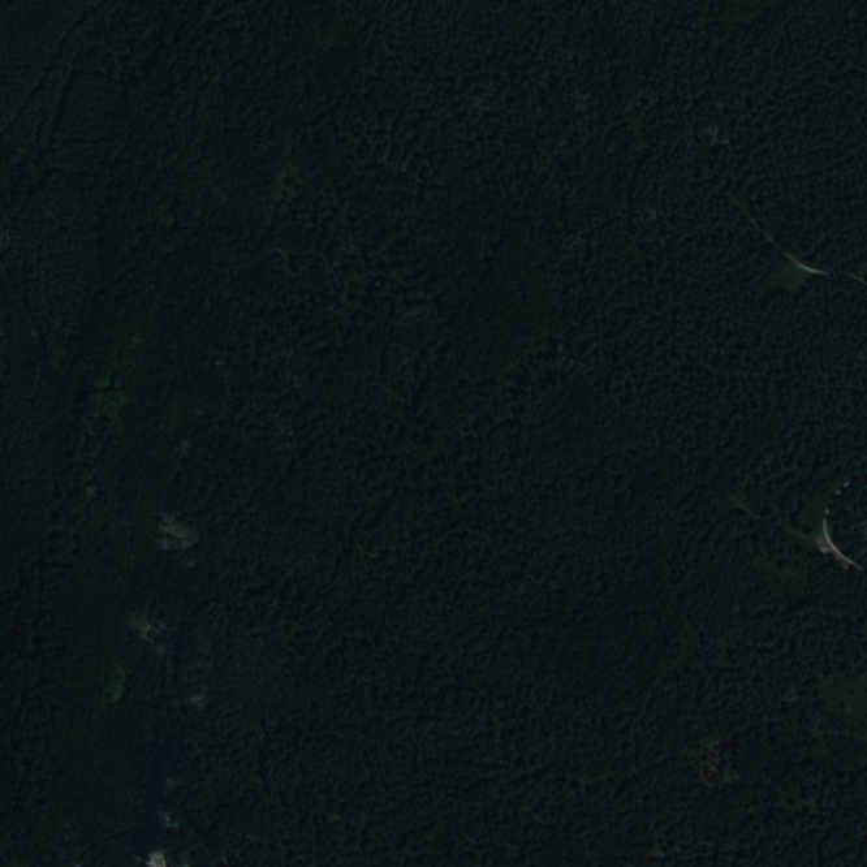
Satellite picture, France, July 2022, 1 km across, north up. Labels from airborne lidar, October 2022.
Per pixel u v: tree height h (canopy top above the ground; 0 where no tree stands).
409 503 21
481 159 7
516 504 29
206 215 22
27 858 24
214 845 22
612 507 28
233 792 18
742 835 19
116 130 20
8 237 24
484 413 18
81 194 27
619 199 20
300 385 20
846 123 26
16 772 31
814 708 17
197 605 20
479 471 21
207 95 23
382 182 22
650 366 29
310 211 9
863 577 16
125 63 16
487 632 17
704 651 9
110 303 29
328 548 17
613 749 19
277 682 20
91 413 25
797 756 19
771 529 15
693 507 19
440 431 25
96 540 15
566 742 21
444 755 19
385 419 23
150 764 18
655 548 25
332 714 17
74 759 18
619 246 25
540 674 17
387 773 21
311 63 10
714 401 30
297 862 20
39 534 21
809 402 23
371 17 26
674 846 25
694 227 23
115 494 14
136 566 22
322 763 22
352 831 12
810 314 19
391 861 14
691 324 21
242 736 18
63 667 32
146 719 18
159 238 23
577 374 29
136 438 16
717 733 21
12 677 33
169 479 18
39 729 30
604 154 12
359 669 12
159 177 21
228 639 15
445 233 22
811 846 22
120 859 15
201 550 12
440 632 15
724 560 18
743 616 14
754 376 23
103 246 28
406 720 26
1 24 17
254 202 12
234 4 24
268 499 18
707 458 9
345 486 14
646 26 16
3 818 24
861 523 22
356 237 8
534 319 26
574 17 15
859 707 0
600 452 23
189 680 8
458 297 23
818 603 25
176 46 23
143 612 7
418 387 7
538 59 23
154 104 26
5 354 21
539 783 22
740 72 20
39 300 28
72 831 7
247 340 15
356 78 23
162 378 14
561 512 26
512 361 31
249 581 19
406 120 19
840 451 25
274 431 19
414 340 23
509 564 14
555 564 12
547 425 23
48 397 27
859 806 22
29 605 24
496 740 17
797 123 25
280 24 13
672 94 10
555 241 20
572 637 22
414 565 17
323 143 20
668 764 21
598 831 19
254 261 17
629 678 20
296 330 17
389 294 24
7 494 18
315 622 23
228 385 18
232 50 23
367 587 19
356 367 19
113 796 15
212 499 6
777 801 25
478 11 12
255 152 16
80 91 22
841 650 13
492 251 26
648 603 23
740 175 21
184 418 13
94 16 23
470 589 17
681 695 18
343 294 24
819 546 0
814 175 17
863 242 16
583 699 15
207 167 16
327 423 25
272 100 16
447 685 11
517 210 26
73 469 26
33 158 12
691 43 26
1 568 18
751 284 26
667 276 19
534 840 18
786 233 24
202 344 18
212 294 19
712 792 18
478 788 20
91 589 18
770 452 23
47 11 21
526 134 23
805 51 24
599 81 15
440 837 8
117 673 22
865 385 11
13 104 19
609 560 20
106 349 22
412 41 26
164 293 23
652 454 24
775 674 22
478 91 9
